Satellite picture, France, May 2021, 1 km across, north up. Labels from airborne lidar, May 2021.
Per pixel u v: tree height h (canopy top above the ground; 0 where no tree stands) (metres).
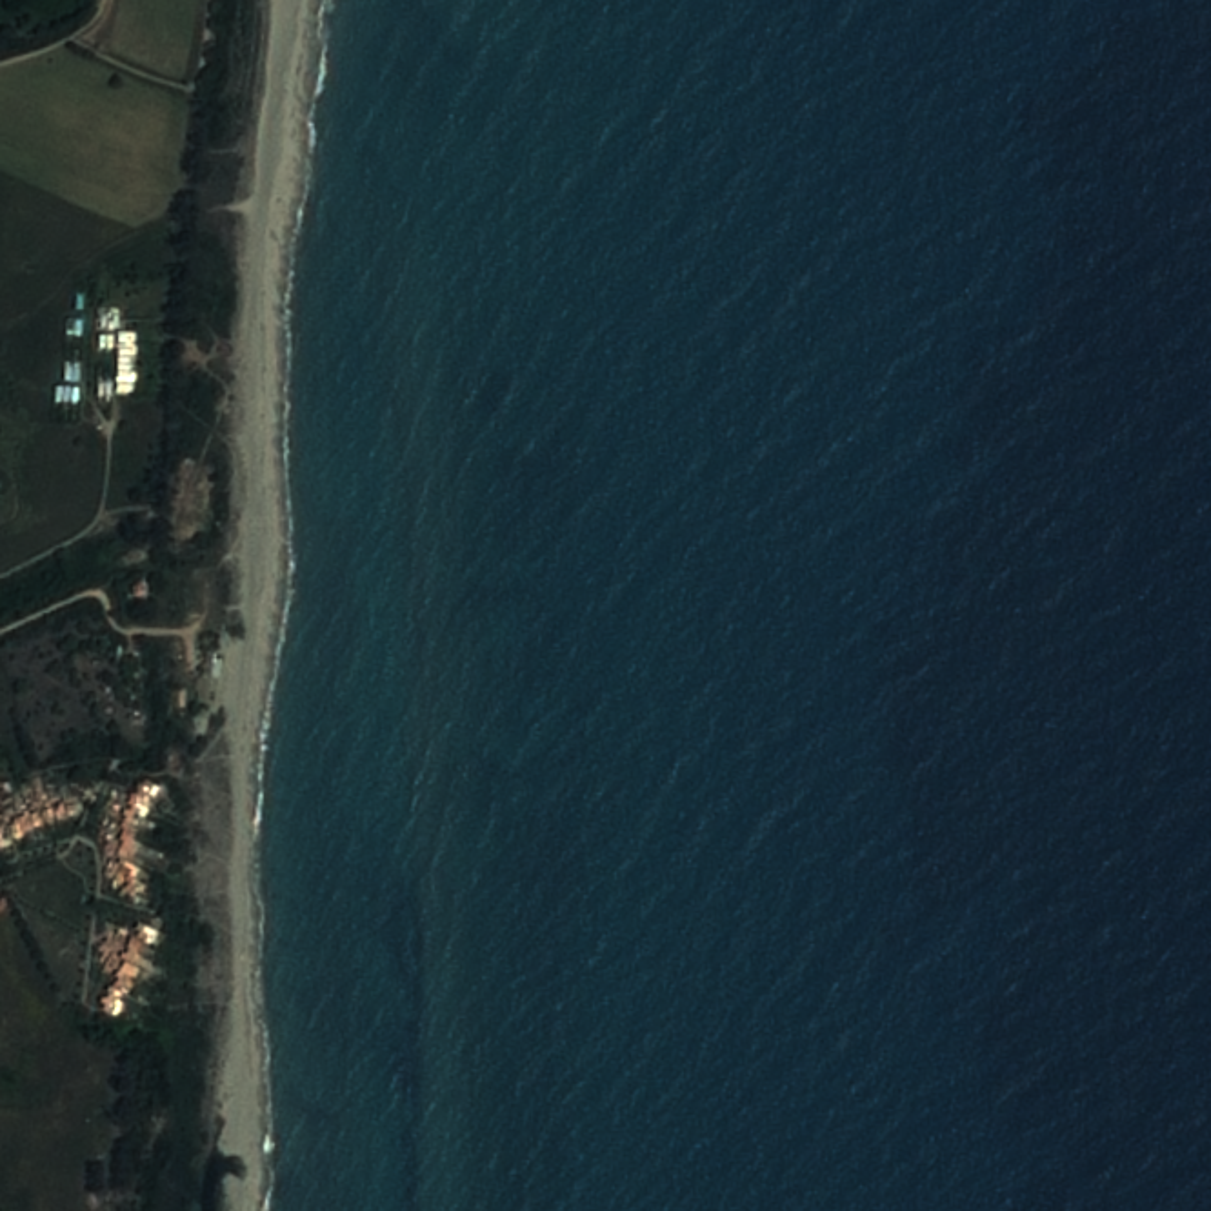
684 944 0
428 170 0
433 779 0
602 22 0
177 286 17
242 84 0
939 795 0
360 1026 0
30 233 0
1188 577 0
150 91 0
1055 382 0
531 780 0
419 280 0
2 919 0
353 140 0
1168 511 0
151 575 8
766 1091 0
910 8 0
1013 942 0
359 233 0
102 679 11
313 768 0
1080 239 0
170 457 17
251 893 0
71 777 12
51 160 0
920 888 0
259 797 0
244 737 0
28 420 0
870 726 0
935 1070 0
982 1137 0
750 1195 0
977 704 0
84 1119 0
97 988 0
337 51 0
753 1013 0
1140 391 0
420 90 0
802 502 0
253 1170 0
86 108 0
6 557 0
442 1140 0
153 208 0
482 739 0
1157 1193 0
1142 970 0
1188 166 0
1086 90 0
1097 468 0
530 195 0
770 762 0
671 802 0
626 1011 0
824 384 0
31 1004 0
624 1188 0
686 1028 0
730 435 0
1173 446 0
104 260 0
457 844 0
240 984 0
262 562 0
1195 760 0
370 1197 0
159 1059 12
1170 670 0
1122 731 0
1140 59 0
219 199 0
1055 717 0
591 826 0
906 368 0
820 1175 0
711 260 0
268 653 0
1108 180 0
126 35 0
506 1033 0
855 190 0
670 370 0
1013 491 0
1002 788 0
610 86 0
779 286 0
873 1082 0
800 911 0
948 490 0
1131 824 0
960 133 0
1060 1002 0
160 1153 8
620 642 0
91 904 10
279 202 0
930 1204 0
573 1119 0
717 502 0
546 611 0
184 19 0
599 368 0
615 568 0
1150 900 0
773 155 0
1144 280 0
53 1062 0
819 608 0
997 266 0
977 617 0
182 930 13
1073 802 0
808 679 0
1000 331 0
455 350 0
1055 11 0
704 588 0
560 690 0
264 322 0
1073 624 0
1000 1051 0
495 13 0
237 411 0
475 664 0
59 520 0
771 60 0
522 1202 0
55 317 0
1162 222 0
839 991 0
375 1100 0
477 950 0
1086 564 0
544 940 0
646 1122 0
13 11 11
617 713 0
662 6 0
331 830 0
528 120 0
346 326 0
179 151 0
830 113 0
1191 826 0
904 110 0
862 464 0
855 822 0
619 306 0
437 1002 0
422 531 0
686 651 0
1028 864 0
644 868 0
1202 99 0
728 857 0
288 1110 0
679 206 0
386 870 0
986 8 0
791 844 0
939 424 0
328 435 0
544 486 0
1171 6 0
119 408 0
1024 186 0
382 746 0
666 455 0
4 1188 0
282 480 0
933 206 0
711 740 0
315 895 0
